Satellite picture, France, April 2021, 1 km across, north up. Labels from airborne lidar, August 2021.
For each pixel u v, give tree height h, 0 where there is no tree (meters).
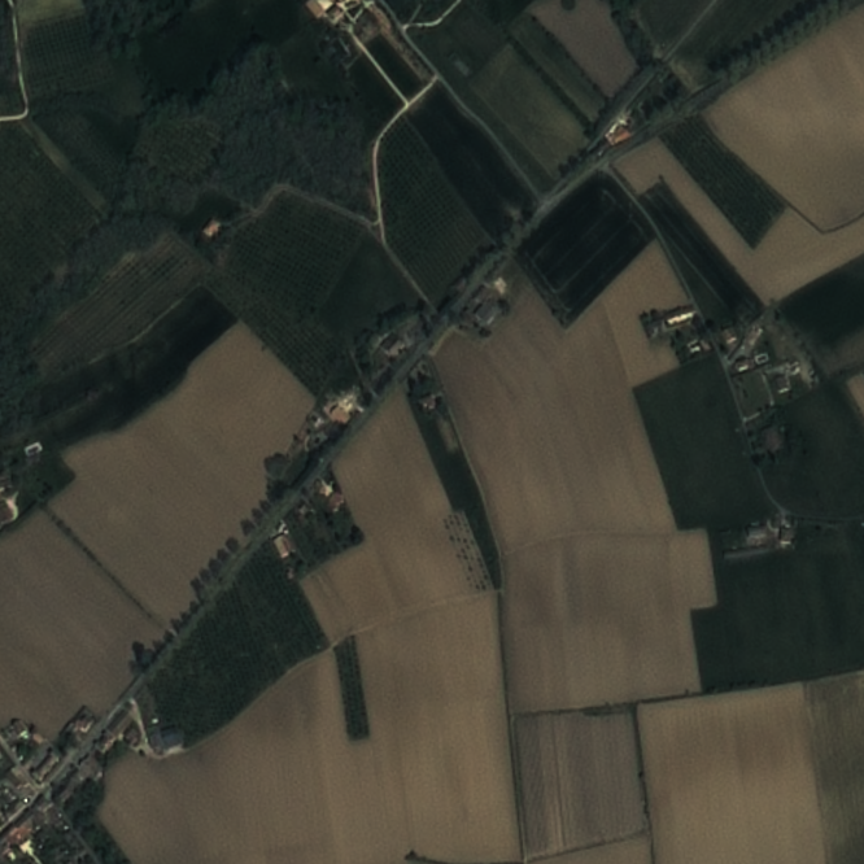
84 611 0
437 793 0
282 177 26
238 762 0
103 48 22
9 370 31
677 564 0
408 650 0
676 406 0
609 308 0
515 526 0
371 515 0
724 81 22
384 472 0
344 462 0
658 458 0
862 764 0
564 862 0
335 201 19
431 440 0
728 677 0
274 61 23
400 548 0
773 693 0
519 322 0
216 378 0
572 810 0
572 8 0
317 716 0
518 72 0
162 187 14
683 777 0
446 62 0
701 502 0
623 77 0
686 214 0
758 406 0
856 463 0
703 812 0
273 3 0
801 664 0
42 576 0
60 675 0
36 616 0
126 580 0
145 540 0
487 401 0
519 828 0
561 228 0
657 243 0
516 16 0
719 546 0
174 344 0
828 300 0
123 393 0
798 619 0
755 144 0
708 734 0
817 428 0
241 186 25
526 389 0
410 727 0
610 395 0
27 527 0
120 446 0
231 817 0
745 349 0
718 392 0
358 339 6
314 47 0
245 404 0
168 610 0
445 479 0
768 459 10
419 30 7
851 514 0
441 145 0
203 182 17
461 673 0
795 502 0
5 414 25
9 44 19
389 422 0
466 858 0
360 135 26
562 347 0
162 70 0
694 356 8
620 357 0
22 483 10
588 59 0
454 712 0
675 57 0
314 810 0
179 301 0
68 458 0
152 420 0
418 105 0
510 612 0
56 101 12
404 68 0
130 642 0
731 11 0
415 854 8
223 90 22
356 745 0
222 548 0
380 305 0
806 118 0
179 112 15
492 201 0
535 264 0
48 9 0
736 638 0
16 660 0
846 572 0
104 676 0
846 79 0
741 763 0
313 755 0
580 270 0
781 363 0
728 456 0
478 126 0
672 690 0
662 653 0
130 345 0
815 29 24
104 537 0
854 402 0
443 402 11
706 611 0
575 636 0
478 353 0
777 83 0
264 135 27
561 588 0
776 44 24
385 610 0
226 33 0
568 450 0
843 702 0
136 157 6
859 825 0
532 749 0
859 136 0
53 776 0
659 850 0
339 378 21
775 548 0
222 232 7
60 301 20
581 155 0
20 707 0
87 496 0
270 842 0
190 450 0
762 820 0
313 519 11
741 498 0
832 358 0
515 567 0
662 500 0
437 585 0
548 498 0
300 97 20
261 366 0
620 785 0
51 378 0
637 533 0
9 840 0
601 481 0
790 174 0
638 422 0
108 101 13
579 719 0
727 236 0
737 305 0
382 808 0
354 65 0
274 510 20
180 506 0
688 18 0
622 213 0
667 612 0
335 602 0
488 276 10
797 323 0
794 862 0
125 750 9
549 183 0
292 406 0
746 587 0
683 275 0
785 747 0
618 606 0
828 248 0
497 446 0
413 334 6
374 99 0
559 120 0
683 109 26
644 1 0
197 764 0
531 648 0
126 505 0
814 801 0
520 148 0
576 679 0
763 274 0
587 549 0
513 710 0
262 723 0
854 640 0
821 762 0
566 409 0
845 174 0
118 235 21
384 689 0
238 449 0
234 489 0
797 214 0
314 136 26
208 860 0
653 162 0
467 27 0
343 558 0
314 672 0
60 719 0
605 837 0
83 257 22
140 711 0
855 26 0
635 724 0
